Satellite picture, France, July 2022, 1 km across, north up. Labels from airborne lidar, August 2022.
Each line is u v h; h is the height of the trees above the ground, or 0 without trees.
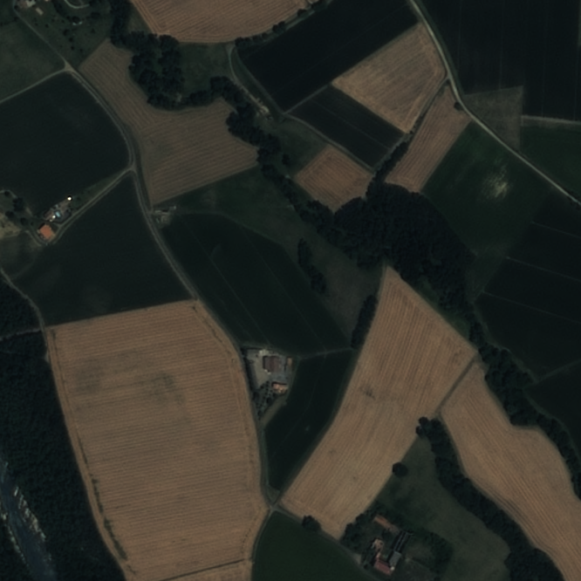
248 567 0
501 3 0
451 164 0
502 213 0
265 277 0
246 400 0
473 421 0
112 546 0
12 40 0
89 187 0
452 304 18
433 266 27
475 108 0
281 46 0
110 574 14
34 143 0
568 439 17
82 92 0
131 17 18
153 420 0
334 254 0
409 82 0
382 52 0
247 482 0
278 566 0
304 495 0
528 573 21
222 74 0
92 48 0
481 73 0
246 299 0
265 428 0
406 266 26
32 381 24
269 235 0
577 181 0
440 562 9
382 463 0
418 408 0
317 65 0
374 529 0
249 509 0
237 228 0
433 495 0
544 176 0
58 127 0
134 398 0
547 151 0
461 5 0
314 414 0
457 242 17
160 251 0
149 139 0
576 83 0
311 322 0
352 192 0
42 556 0
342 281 0
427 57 0
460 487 23
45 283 0
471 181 0
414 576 0
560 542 0
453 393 0
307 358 0
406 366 0
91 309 0
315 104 0
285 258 0
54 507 23
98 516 0
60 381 0
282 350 0
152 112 0
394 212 25
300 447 0
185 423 0
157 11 0
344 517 0
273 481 0
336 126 0
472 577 0
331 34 0
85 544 7
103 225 0
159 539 0
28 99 0
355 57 0
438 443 18
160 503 0
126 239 0
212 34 0
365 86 0
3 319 16
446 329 0
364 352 0
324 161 0
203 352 0
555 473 0
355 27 0
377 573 0
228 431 0
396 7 0
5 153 0
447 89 0
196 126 0
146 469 0
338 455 0
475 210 0
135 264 0
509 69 0
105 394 0
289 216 0
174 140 0
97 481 0
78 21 13
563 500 0
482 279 0
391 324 0
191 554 0
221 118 0
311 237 0
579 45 0
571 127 0
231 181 0
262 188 0
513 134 0
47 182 0
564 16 0
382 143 0
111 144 0
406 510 0
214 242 0
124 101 0
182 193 0
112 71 0
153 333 0
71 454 13
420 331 0
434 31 0
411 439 0
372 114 0
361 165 0
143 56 20
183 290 0
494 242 0
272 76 0
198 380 0
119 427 0
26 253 0
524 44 0
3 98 0
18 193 0
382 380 0
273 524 0
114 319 0
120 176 0
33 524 0
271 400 9
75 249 0
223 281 0
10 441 26
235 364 0
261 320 0
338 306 0
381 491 0
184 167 0
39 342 15
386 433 0
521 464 0
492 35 0
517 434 0
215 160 0
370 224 27
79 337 0
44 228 0
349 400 0
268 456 0
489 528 17
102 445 0
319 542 0
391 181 0
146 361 0
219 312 0
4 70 0
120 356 0
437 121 0
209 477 0
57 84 0
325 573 0
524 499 0
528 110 0
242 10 0
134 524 0
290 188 11
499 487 0
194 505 0
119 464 0
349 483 0
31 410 14
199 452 0
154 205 0
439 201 0
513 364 7
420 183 0
